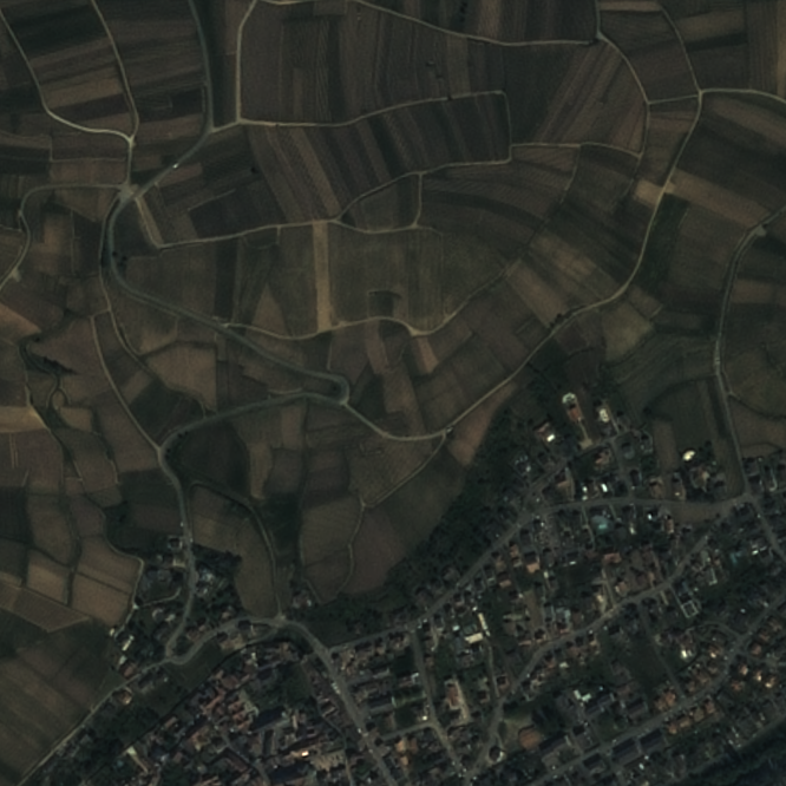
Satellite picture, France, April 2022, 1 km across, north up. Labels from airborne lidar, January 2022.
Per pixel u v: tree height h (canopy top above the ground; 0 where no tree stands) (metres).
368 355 0
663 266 0
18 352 0
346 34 0
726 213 0
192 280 0
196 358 0
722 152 0
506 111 0
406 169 0
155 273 0
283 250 0
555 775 0
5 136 0
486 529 11
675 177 0
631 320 0
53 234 0
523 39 0
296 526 0
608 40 0
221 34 0
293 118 0
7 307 0
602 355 0
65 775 11
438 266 0
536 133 0
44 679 0
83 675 0
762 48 0
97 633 0
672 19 0
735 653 0
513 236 0
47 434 0
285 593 0
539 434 0
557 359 0
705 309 0
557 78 0
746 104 0
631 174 0
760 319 0
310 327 0
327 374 0
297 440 0
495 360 0
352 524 0
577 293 0
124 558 0
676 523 0
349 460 0
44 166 0
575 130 0
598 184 0
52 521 0
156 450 0
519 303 0
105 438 0
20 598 0
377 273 0
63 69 0
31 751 0
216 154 0
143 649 10
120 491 0
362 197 0
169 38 0
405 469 0
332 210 0
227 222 0
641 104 0
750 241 0
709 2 0
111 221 0
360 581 0
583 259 0
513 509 0
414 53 0
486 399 0
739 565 0
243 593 0
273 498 0
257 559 0
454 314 0
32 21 0
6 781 0
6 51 0
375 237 0
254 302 0
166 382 0
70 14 0
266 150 0
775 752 16
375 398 0
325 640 0
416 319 0
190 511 0
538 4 0
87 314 0
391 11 0
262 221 0
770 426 0
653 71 0
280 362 0
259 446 0
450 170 0
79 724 0
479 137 0
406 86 0
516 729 0
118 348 0
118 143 0
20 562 0
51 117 0
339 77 0
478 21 0
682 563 0
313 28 0
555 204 0
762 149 0
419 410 0
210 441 0
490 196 0
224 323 0
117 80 0
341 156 0
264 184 0
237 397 0
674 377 0
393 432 0
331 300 0
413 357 0
